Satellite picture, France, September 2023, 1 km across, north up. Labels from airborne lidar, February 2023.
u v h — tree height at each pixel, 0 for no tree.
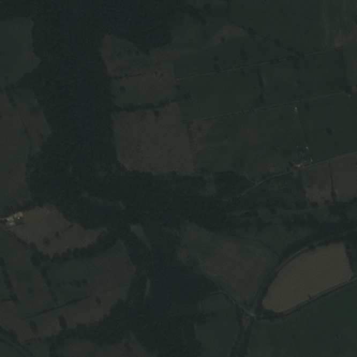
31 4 11
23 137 0
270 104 0
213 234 0
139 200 19
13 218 0
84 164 22
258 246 0
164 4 17
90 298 0
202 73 0
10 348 0
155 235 19
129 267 0
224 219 21
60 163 10
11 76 0
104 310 0
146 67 0
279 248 0
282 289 0
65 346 0
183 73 0
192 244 0
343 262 0
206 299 0
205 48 0
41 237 0
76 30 17
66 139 14
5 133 0
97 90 17
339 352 0
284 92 0
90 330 17
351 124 0
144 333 14
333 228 19
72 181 9
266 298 0
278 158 0
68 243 0
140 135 0
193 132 0
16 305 0
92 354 0
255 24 0
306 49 0
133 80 0
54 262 8
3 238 0
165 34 20
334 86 0
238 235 0
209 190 0
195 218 17
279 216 0
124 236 18
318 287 0
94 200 0
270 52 0
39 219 0
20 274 0
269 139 0
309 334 0
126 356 0
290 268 0
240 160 0
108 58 0
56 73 24
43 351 0
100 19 23
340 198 0
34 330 15
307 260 0
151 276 17
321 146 0
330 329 0
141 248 22
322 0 0
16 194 0
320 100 0
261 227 14
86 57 10
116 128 0
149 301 20
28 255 0
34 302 0
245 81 0
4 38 0
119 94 0
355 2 0
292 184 0
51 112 16
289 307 0
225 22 0
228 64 0
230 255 0
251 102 0
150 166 0
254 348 0
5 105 0
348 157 0
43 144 10
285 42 0
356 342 0
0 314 0
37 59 0
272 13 0
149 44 13
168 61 0
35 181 12
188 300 21
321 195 0
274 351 0
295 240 0
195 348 15
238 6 0
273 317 16
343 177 0
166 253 18
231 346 0
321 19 0
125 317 31
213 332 0
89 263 0
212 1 0
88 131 10
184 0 11
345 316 0
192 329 11
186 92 0
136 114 0
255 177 0
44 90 23
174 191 7
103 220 19
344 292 0
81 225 11
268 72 0
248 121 0
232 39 0
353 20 0
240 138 0
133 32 20
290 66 0
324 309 0
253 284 0
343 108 0
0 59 0
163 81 0
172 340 23
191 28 0
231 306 0
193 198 15
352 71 0
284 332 0
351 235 18
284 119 0
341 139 0
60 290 0
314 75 0
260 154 0
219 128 0
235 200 8
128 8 10
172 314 18
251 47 0
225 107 0
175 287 27
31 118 0
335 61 0
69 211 19
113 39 0
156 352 0
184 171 0
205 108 0
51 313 0
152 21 27
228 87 0
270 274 0
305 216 0
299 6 0
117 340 17
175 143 0
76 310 0
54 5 10
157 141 0
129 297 21
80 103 20
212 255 0
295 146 0
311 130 0
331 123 0
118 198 21
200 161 0
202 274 0
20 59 0
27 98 0
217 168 0
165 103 9
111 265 0
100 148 15
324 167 0
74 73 20
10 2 9
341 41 0
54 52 24
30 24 0
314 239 12
